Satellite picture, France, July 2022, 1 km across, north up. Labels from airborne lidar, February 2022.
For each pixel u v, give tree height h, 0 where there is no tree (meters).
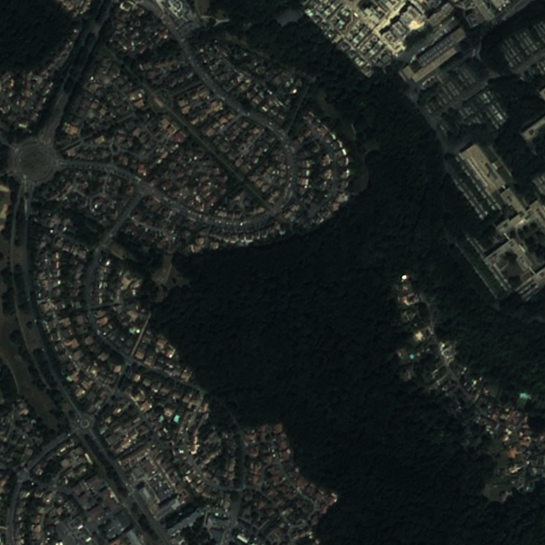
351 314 26
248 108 15
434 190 16
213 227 7
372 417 29
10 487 9
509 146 11
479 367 20
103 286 0
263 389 23
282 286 27
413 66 7
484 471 20
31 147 0
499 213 10
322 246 23
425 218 21
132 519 0
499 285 9
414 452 28
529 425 8
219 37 8
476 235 10
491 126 15
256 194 0
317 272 26
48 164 0
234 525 0
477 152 0
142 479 0
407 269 15
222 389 10
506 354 6
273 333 25
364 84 15
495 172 0
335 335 27
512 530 22
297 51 13
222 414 16
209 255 20
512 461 6
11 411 17
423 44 0
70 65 10
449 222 19
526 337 13
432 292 8
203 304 25
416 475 22
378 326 6
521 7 0
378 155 17
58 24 16
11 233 10
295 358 22
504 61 13
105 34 13
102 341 6
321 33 13
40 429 13
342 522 23
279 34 12
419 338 0
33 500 10
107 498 0
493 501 0
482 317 13
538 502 23
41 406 0
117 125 8
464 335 9
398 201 13
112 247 0
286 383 25
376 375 29
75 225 10
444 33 0
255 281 28
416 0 0
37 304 9
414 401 21
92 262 8
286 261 21
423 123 16
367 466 20
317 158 6
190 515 0
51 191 9
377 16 0
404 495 21
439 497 25
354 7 0
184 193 0
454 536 26
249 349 25
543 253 15
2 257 11
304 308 27
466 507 7
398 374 8
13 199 13
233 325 28
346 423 30
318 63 18
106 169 0
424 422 18
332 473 21
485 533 22
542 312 16
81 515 13
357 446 19
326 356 28
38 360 7
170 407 0
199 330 21
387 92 16
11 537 0
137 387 7
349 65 19
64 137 9
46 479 9
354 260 27
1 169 10
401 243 15
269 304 13
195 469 0
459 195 13
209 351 24
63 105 0
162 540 0
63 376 11
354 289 30
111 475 11
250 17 17
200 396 9
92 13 12
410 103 12
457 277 18
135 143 11
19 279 13
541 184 0
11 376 13
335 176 0
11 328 0
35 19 17
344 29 0
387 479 21
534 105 12
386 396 27
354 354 27
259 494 9
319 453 21
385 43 0
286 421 17
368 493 21
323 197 8
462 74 0
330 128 7
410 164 9
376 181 19
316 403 21
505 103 6
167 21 0
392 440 23
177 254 11
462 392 9
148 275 11
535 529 21
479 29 14
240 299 28
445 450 28
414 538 17
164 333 9
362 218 22
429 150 17
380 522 19
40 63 10
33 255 8
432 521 28
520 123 11
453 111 12
